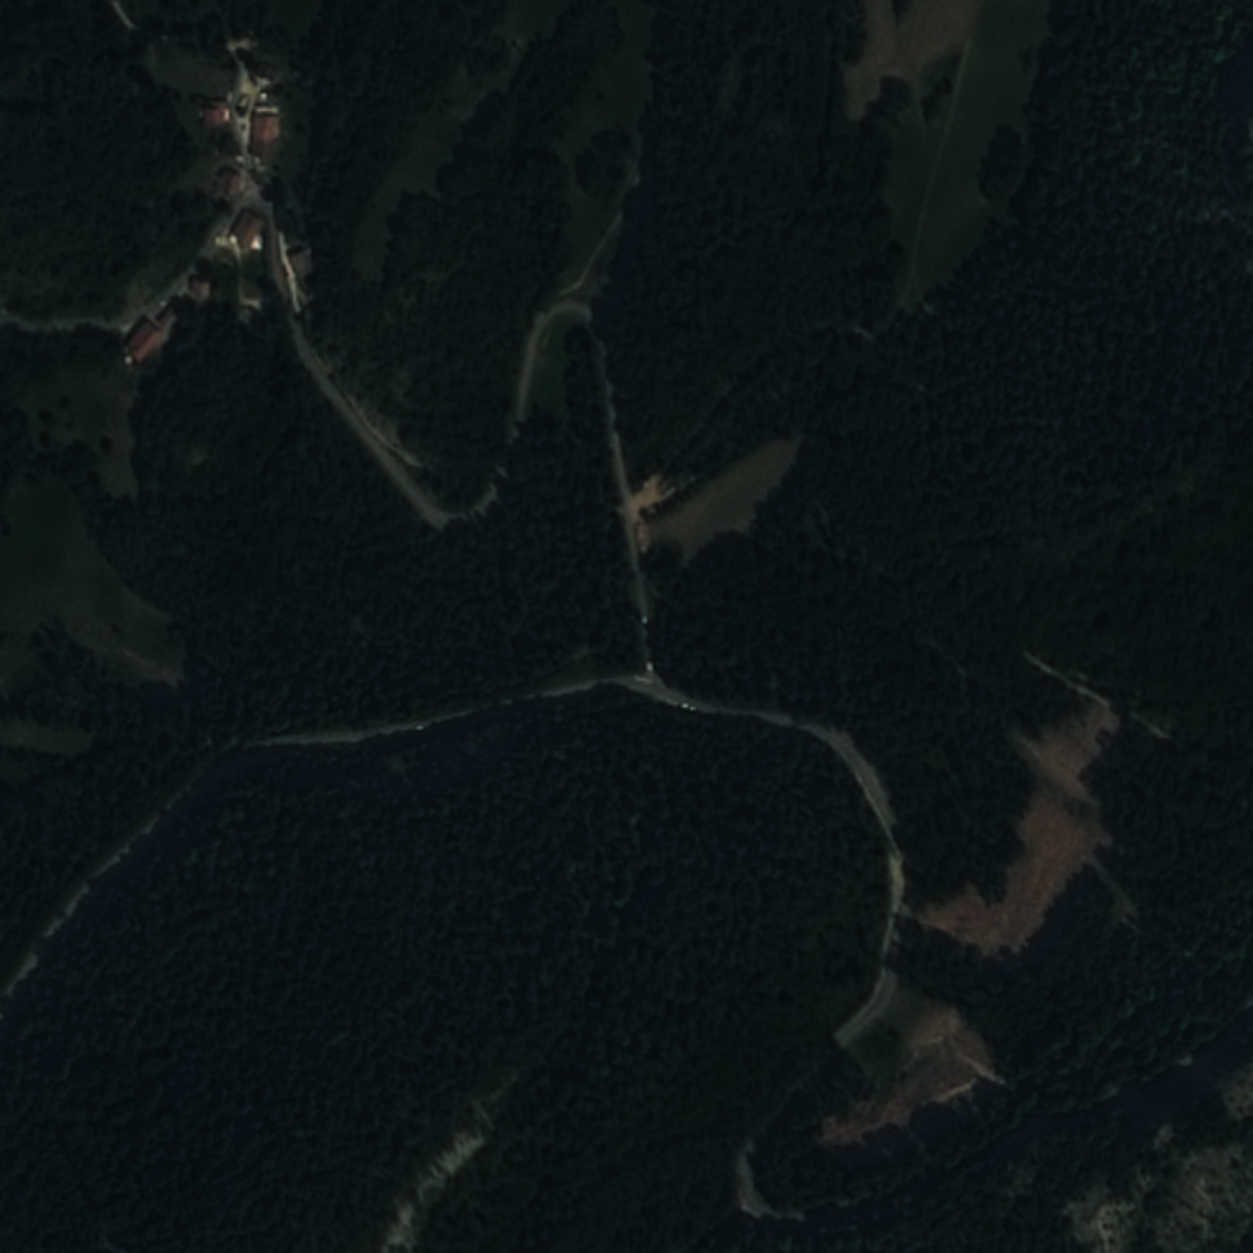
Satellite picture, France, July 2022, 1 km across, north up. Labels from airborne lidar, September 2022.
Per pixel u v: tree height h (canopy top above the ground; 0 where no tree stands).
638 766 21
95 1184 25
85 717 17
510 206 21
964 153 0
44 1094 26
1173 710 6
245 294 0
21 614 0
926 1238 15
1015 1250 11
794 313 26
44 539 0
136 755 27
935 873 35
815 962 35
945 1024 0
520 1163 31
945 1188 24
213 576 23
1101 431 17
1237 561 25
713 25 9
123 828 6
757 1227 21
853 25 16
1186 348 35
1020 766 23
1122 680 17
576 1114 27
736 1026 35
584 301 0
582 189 12
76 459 15
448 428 11
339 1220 15
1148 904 22
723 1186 19
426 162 0
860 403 36
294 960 23
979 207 0
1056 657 18
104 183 18
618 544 21
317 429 22
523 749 23
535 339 0
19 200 23
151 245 12
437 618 26
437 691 26
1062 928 0
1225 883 29
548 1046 21
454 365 11
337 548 17
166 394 25
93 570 0
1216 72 18
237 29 21
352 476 26
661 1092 27
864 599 20
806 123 10
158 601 26
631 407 16
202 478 22
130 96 28
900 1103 0
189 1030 19
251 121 0
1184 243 21
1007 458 16
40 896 8
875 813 18
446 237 16
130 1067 27
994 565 27
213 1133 23
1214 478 11
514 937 24
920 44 0
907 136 0
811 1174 33
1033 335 28
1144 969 21
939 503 23
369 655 12
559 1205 25
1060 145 36
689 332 19
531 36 0
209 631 27
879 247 15
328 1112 18
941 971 21
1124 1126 22
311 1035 16
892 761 10
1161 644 23
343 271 13
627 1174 26
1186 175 12
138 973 26
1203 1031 25
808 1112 31
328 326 7
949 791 6
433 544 16
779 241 23
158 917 27
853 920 12
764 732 10
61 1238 25
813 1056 23
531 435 16
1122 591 17
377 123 25
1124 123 10
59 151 27
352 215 15
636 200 0
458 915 9
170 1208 20
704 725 11
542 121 10
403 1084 24
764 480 0
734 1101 28
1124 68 15
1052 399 17
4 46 21
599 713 9
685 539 0
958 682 24
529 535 28
